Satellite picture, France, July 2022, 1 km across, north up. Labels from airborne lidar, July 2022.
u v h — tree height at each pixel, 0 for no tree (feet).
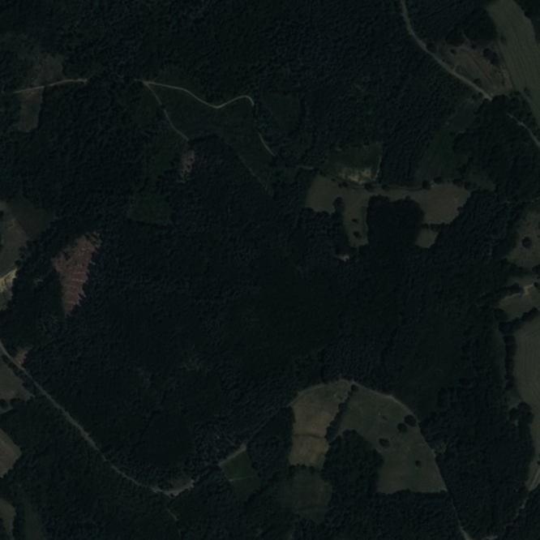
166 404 51
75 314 58
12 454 0
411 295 71
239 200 36
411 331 76
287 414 64
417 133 50
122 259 90
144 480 68
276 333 69
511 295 41
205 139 56
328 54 78
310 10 38
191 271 72
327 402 0
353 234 0
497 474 53
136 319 67
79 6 52
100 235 92
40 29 51
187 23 43
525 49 0
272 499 36
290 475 23
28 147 73
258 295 70
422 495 55
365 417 0
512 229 93
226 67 22
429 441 47
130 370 30
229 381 61
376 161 0
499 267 56
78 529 88
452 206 0
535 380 0
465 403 82
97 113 86
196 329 57
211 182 60
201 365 27
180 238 71
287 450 82
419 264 83
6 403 45
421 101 54
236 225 72
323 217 66
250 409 103
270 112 64
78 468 35
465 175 62
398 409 0
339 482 63
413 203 58
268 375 71
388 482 0
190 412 59
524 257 0
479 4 48
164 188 69
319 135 56
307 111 75
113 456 72
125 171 40
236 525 65
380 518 47
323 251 98
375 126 44
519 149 37
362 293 91
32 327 70
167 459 69
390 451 0
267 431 65
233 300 62
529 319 53
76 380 58
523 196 41
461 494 80
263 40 33
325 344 82
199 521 33
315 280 67
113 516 39
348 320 88
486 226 92
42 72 0
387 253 78
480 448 52
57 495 23
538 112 0
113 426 31
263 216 36
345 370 83
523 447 48
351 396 39
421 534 47
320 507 0
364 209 0
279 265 59
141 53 45
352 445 70
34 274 70
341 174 0
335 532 54
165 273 71
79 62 78
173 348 58
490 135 44
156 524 28
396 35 33
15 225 0
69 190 44
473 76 0
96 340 54
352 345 91
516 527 55
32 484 39
